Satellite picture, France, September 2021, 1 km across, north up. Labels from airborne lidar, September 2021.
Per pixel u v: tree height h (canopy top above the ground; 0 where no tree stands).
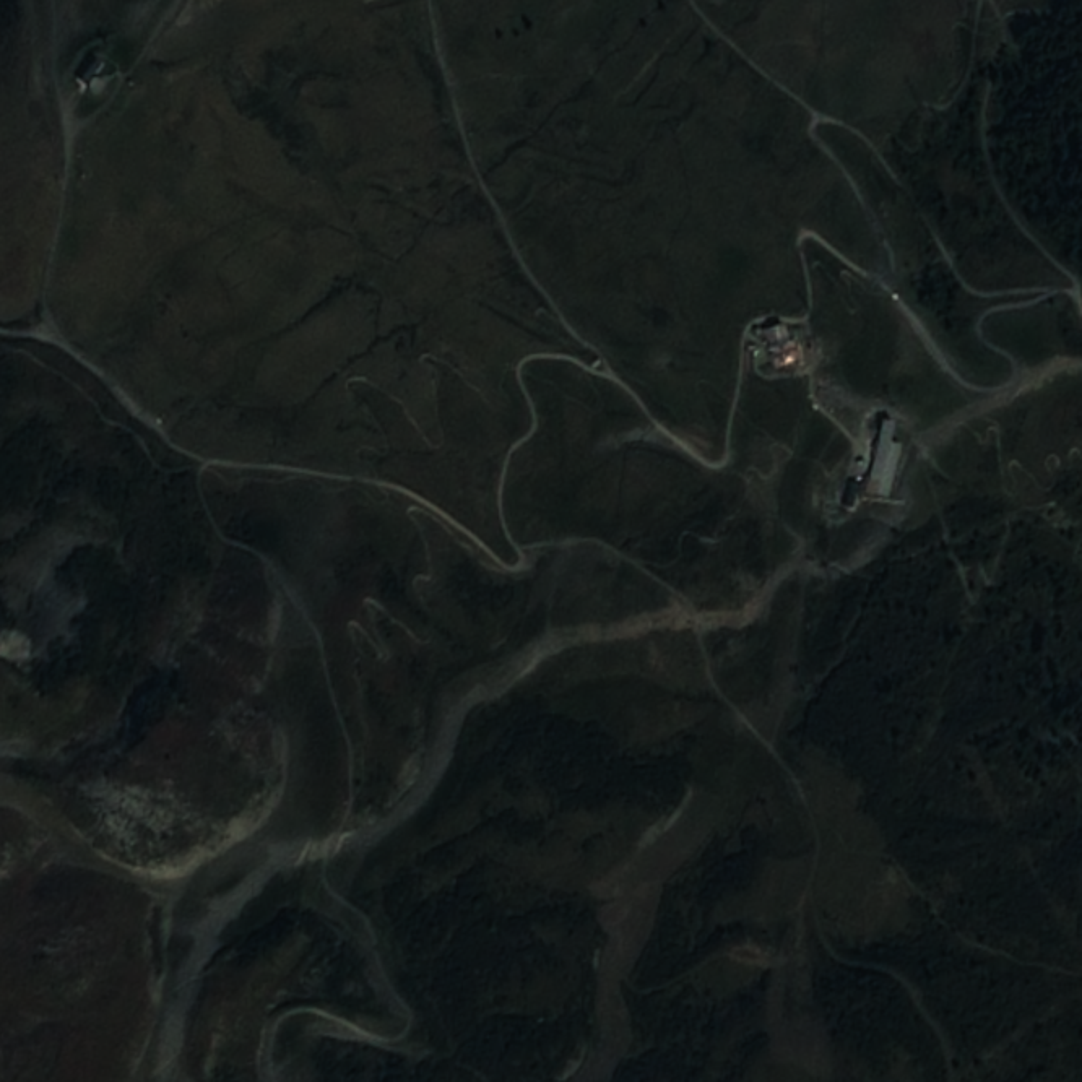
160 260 0
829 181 0
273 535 0
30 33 0
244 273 0
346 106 0
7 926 0
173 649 0
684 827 0
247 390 0
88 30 0
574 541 0
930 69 0
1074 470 0
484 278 0
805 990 0
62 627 0
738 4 0
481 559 0
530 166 0
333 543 0
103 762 0
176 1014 0
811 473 0
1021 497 0
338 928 0
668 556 0
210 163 0
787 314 0
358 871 0
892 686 7
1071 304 0
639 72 0
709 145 0
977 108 7
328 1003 0
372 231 0
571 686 0
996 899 8
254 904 0
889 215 0
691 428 0
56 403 0
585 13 0
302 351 0
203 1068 0
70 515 0
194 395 0
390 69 0
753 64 0
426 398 0
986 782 0
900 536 8
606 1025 0
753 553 0
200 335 0
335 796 0
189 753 0
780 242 0
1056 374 0
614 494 0
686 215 0
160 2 0
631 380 0
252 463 0
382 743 0
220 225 0
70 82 0
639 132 0
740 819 0
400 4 0
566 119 0
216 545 0
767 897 0
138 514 0
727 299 0
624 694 0
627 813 0
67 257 0
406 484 0
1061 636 9
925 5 0
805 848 0
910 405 0
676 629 0
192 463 0
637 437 0
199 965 0
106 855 0
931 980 12
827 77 0
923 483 0
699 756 0
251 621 0
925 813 6
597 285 0
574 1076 0
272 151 0
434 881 0
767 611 0
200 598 0
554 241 0
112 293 0
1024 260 0
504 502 0
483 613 0
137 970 0
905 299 0
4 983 0
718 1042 0
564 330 0
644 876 0
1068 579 7
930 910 8
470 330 0
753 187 0
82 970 0
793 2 0
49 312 0
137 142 0
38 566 0
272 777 0
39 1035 0
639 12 0
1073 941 0
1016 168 8
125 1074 0
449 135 0
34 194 0
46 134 0
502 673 0
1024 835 6
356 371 0
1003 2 0
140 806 0
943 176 0
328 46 0
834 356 0
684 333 0
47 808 0
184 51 0
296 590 0
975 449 0
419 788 0
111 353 0
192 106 0
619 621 0
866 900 0
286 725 0
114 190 0
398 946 0
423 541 0
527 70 0
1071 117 16
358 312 0
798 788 0
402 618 0
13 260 0
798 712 0
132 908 0
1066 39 25
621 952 0
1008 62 7
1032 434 0
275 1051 0
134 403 0
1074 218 13
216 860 0
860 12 0
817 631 0
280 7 0
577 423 0
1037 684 11
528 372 0
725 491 0
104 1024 0
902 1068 0
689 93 0
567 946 0
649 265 0
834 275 0
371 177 0
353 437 0
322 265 0
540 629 0
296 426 0
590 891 0
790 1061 0
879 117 0
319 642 0
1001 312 0
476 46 0
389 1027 0
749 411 0
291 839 0
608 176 0
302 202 0
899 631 6
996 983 7
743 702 0
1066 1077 6
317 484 0
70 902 0
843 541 0
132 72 0
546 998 0
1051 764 10
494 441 0
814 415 0
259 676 0
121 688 0
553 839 0
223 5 0
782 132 0
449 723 0
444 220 0
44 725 0
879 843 0
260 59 0
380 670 0
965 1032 6
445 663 0
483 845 0
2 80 0
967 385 0
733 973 0
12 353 0
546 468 0
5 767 0
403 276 0
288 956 0
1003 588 7
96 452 0
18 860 0
